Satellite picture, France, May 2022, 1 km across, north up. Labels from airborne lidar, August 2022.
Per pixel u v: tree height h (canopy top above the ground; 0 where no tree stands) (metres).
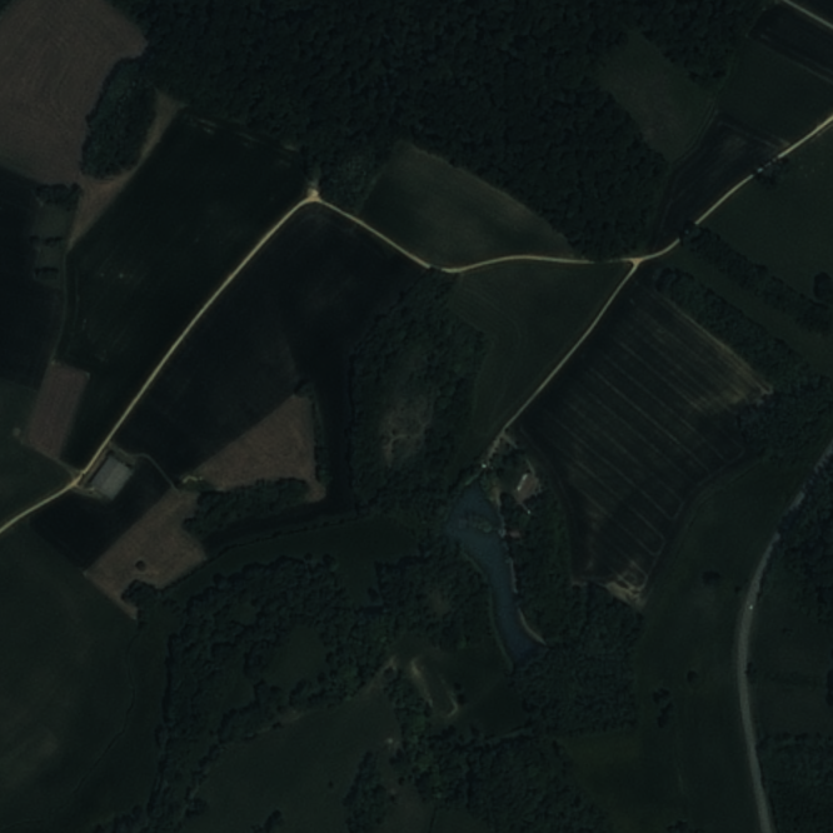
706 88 24
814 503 27
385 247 0
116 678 0
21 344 0
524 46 28
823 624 7
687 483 0
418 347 9
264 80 30
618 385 0
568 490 0
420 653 0
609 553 0
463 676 0
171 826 10
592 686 20
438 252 0
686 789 0
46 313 0
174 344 0
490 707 0
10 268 0
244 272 0
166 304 0
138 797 0
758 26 0
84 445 0
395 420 0
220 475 0
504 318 0
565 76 28
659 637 0
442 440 12
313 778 0
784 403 26
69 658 0
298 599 13
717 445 0
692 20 27
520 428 0
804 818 11
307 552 0
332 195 20
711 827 0
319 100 26
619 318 0
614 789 0
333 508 0
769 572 15
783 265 0
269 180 0
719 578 13
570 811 15
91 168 16
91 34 0
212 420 0
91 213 0
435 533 12
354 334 0
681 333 0
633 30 26
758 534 0
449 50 27
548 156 26
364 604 0
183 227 0
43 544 0
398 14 27
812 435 17
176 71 24
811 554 27
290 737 0
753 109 0
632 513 0
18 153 0
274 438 0
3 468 0
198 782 10
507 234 0
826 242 0
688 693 0
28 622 0
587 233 25
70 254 0
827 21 0
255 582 18
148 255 0
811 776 22
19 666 0
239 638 13
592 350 0
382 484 13
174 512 0
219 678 17
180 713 17
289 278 0
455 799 17
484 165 23
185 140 0
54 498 0
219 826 0
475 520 12
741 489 0
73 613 0
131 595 13
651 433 0
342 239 0
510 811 9
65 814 0
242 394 0
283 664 0
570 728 18
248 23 30
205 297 0
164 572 0
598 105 28
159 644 0
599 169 24
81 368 0
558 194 26
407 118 25
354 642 20
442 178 0
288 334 0
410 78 29
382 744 0
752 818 0
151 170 0
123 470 0
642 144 23
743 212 0
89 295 0
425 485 9
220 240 0
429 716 17
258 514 15
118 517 0
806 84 0
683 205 0
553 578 15
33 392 0
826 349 0
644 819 0
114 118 18
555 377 0
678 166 0
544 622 13
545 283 0
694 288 18
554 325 0
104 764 0
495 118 28
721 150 0
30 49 0
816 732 0
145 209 0
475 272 0
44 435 0
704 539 0
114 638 0
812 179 0
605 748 0
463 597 13
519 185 24
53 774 0
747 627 0
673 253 0
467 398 14
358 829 15
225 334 0
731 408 0
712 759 0
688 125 0
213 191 0
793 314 16
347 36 27
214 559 6
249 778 0
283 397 0
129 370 0
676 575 0
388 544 0
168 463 0
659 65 0
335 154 19
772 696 0
